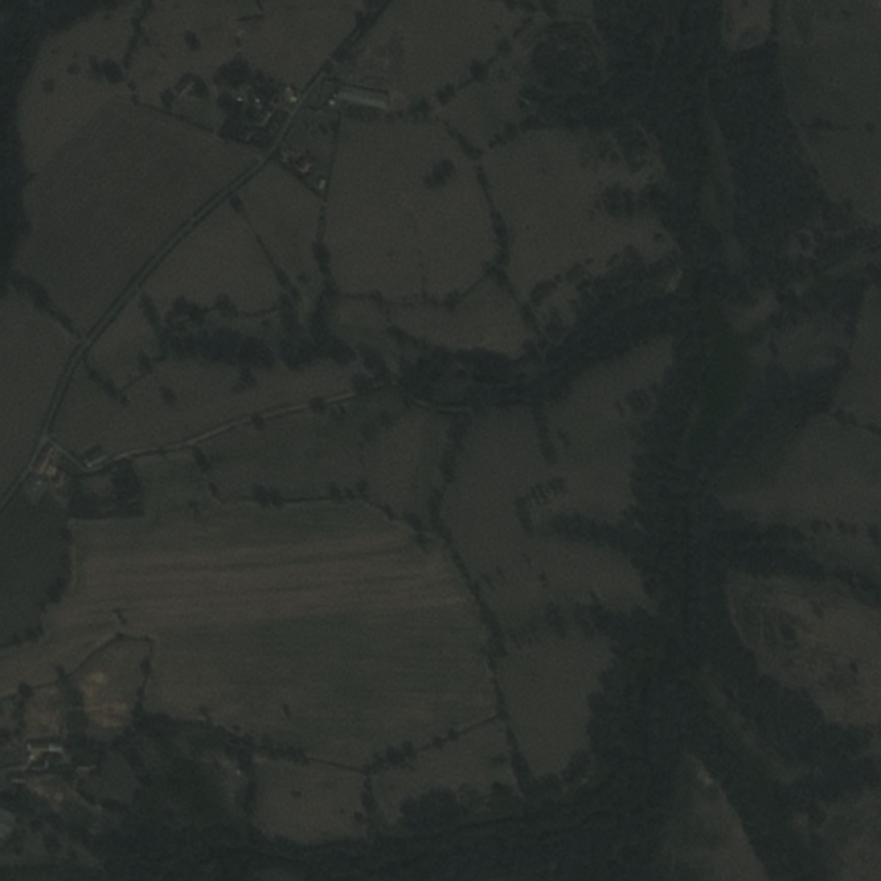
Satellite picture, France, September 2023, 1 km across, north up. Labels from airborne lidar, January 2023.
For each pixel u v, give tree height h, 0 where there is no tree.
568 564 0
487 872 9
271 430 0
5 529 0
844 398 0
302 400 0
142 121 0
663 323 17
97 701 0
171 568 0
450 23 0
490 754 0
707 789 0
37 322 0
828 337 0
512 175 0
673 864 0
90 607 0
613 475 0
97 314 0
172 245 0
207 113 0
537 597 0
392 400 0
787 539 16
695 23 7
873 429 9
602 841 11
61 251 0
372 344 0
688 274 9
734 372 0
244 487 0
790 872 15
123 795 0
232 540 0
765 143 12
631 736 0
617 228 0
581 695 0
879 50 0
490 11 0
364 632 0
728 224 0
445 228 0
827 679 0
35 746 0
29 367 0
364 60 0
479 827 12
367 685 0
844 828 0
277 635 0
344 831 0
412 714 0
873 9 0
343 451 0
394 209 0
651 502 17
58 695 0
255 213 0
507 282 12
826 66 0
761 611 0
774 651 0
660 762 20
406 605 0
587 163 0
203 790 0
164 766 0
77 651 0
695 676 0
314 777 0
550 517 0
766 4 0
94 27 0
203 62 0
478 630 0
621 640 10
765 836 7
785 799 19
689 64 14
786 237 13
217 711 0
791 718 13
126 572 0
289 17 0
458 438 15
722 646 15
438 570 0
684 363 18
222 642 0
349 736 0
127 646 0
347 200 0
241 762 19
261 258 0
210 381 0
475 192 0
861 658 0
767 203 21
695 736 18
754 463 0
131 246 0
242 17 0
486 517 0
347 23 0
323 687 0
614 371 0
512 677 0
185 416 0
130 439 0
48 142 0
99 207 0
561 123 7
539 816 18
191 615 0
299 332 16
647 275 16
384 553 0
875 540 16
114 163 0
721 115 23
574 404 0
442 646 0
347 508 0
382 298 13
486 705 0
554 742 0
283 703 0
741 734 0
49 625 0
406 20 0
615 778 10
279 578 0
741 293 18
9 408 0
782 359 0
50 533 0
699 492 15
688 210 21
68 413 0
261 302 0
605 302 12
